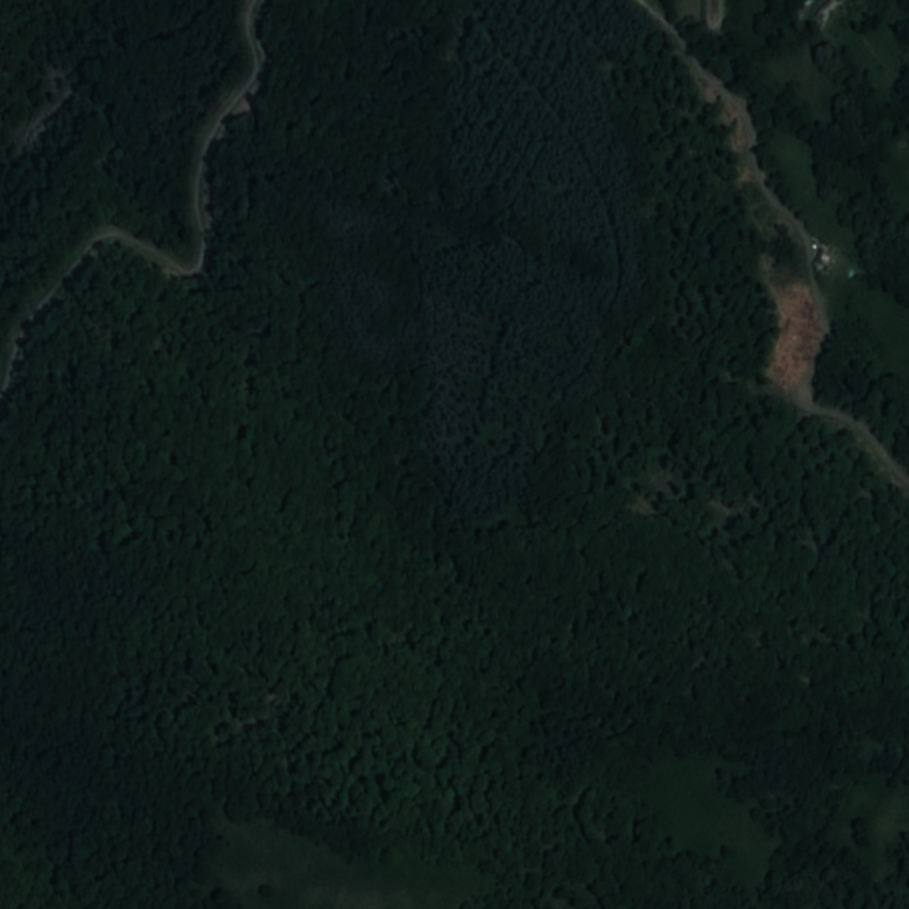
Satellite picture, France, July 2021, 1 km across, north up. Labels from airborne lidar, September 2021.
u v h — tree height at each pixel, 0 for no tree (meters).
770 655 28
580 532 27
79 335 25
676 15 18
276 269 23
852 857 19
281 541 25
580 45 27
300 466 29
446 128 19
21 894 32
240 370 28
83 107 25
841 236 0
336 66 25
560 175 23
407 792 30
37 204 30
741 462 23
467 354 19
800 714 10
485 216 21
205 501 24
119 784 15
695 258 23
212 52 22
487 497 15
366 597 26
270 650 27
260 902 0
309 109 24
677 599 28
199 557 27
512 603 21
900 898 17
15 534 29
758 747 24
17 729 17
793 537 28
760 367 16
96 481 23
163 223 29
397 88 25
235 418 29
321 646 27
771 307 33
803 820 28
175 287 31
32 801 22
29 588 19
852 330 10
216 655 28
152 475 26
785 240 8
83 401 17
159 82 21
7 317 30
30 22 7
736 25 22
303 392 25
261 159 22
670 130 31
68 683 23
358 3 24
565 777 24
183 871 24
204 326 29
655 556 33
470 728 23
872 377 31
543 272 19
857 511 27
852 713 30
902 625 22
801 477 29
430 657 25
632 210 24
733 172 35
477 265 23
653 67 25
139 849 23
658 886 29
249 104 0
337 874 0
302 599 29
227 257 27
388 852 18
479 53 29
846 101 24
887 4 7
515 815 22
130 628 24
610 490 23
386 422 23
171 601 21
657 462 30
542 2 21
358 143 24
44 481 26
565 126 23
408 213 17
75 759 19
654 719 27
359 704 24
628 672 24
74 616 21
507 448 20
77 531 28
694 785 0
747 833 0
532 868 21
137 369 23
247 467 29
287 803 19
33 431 23
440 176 25
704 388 34
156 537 25
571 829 18
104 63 24
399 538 27
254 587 28
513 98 28
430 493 26
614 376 17
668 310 24
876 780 0
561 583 28
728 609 32
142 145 34
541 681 19
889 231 25
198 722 22
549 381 19
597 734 20
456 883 0
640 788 23
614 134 23
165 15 23
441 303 21
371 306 22
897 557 26
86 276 22
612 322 20
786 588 31
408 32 26
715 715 28
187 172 26
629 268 31
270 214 25
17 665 22
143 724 21
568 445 26
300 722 28
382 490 30
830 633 28
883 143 29
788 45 6
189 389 30
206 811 18
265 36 22
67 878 33
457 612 20
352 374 18
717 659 23
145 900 24
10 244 33
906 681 31
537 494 19
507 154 21
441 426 19
